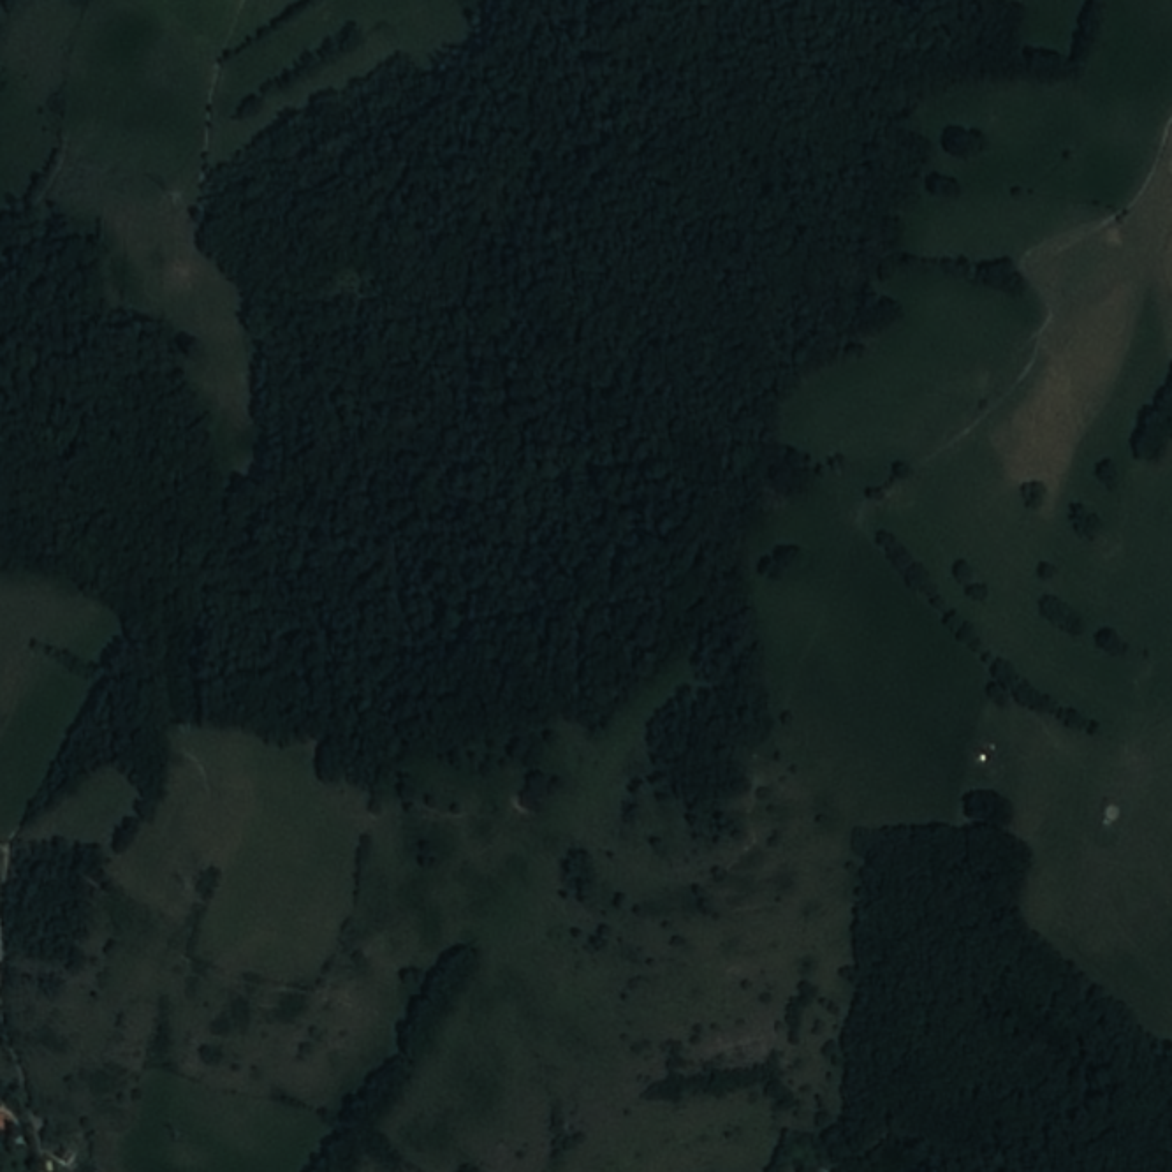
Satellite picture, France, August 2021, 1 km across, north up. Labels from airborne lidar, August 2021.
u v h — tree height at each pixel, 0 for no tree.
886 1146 7
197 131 0
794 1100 7
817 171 25
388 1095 17
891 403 0
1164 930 0
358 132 13
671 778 8
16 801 0
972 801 17
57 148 8
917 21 29
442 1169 0
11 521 20
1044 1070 23
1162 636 0
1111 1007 19
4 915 9
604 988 0
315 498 22
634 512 17
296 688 29
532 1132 0
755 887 0
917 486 0
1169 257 0
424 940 0
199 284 0
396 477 19
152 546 21
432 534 20
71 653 11
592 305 19
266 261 14
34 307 24
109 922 0
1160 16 0
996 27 20
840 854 0
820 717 0
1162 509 0
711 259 26
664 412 23
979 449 0
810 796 0
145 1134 0
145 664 19
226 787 0
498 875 0
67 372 27
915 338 0
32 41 0
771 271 26
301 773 0
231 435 0
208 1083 0
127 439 22
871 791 0
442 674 27
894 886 18
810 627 0
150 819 12
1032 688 14
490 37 19
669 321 24
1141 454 16
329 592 22
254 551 27
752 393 21
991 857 29
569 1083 0
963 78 19
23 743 0
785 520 0
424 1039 17
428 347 24
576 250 23
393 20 0
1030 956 21
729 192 23
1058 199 0
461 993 14
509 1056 0
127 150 0
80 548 23
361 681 22
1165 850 0
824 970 0
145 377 25
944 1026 19
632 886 0
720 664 16
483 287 24
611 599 19
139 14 0
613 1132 0
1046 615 11
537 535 25
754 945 0
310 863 0
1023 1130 22
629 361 19
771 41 21
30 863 8
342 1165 13
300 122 16
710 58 20
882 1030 23
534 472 24
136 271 0
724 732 10
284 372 16
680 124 23
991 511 0
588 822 0
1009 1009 7
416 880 0
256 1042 0
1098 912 0
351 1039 0
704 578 22
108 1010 0
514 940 0
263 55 0
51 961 7
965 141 23
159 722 19
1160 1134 13
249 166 6
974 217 0
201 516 20
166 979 0
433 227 17
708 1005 0
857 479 0
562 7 20
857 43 28
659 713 6
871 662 0
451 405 16
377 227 16
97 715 18
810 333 25
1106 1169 18
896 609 0
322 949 0
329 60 13
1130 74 0
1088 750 0
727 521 20
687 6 22
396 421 26
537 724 14
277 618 22
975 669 0
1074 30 0
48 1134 6
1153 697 0
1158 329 0
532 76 24
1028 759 0
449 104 20
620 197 24
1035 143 0
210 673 23
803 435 0
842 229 27
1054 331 0
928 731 0
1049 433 0
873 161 26
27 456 23
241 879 0
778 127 22
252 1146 0
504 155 26
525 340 23
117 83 0
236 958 0
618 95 22
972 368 0
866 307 22
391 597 23
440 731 14
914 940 24
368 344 24
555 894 0
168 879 0
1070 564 0
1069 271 0
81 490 21
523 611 22
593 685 20
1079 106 0
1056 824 0
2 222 24
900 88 22
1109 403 0
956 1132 25
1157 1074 18
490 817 0
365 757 18
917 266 12
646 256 27
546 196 21
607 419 25
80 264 27
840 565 0
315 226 21
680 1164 0
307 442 22
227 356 0
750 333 23
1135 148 0
